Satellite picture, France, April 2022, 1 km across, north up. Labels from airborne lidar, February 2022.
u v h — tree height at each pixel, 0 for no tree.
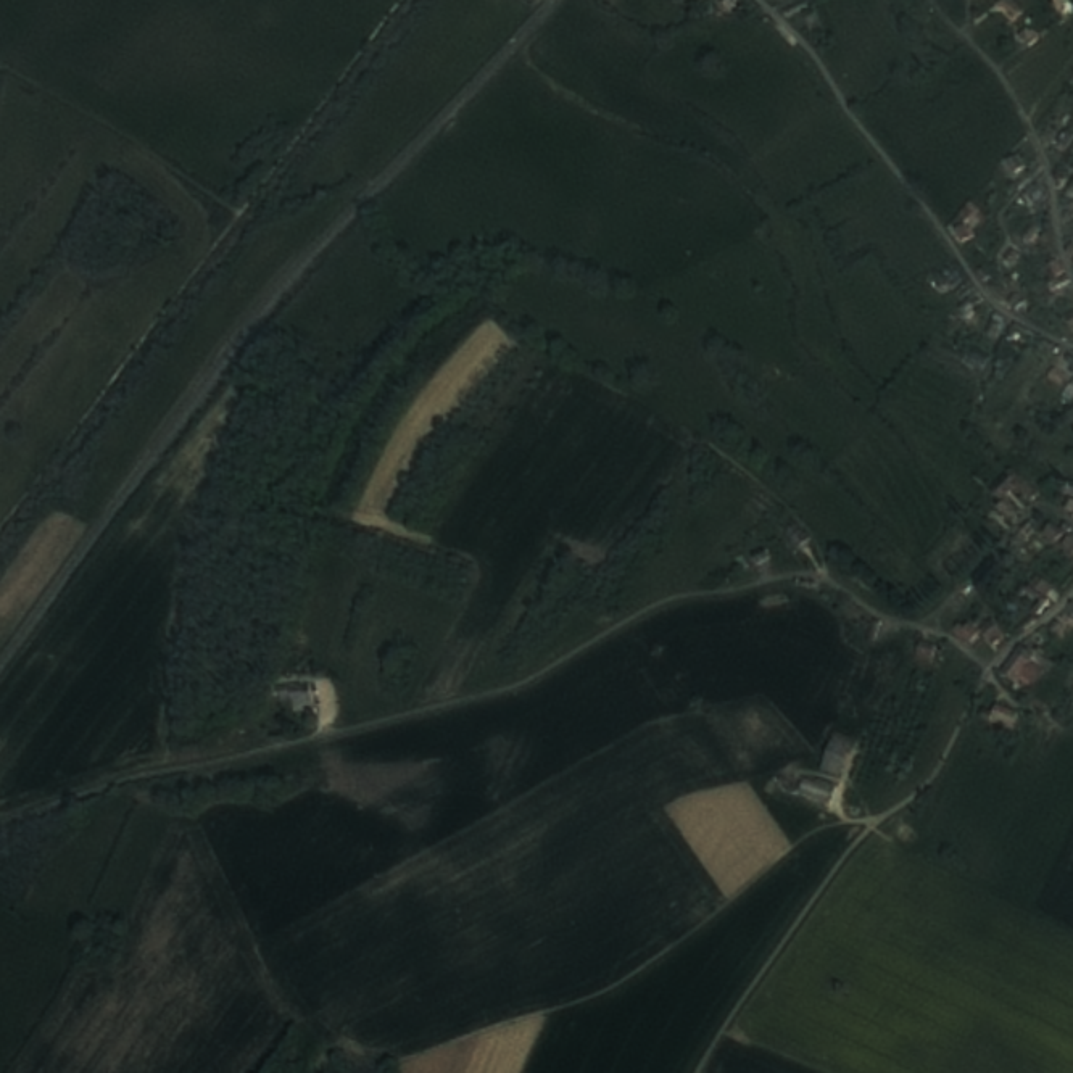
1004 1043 0
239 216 0
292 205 12
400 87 0
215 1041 0
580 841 0
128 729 0
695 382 0
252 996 0
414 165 0
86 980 0
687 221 0
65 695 0
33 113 0
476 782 0
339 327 0
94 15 0
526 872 0
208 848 0
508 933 0
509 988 0
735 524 0
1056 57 0
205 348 0
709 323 0
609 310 0
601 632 0
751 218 0
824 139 0
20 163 0
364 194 0
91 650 0
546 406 0
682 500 0
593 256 0
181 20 0
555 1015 0
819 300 0
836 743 0
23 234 0
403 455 0
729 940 0
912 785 0
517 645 7
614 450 0
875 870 0
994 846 0
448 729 0
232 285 0
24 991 0
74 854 0
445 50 0
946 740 0
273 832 0
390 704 0
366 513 0
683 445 0
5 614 0
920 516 0
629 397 0
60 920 0
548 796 0
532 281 0
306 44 0
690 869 0
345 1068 20
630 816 0
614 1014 0
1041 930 0
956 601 0
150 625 0
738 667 0
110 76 0
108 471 0
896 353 0
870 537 0
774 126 0
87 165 0
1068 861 0
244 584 30
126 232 25
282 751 0
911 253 0
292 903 0
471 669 0
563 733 0
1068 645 0
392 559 10
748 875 0
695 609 0
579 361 19
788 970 0
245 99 0
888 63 0
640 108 0
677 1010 0
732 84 0
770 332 0
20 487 0
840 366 0
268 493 25
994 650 0
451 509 0
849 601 19
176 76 0
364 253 0
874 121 0
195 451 0
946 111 0
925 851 0
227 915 0
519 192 0
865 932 0
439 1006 0
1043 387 0
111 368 0
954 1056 0
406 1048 0
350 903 0
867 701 0
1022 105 0
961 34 0
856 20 0
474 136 0
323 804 0
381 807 0
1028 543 0
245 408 21
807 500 0
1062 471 0
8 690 0
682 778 0
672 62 0
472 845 0
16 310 14
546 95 0
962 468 0
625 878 0
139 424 0
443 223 0
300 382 29
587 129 0
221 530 27
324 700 0
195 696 31
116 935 13
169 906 0
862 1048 0
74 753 0
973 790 0
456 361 0
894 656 0
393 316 0
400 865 0
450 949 0
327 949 0
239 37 0
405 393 27
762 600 0
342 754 0
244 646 33
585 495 0
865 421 0
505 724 0
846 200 0
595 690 0
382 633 0
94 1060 0
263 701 25
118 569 0
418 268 16
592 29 0
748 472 0
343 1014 0
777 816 0
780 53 0
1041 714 11
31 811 0
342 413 27
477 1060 0
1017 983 0
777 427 0
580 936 0
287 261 0
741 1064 0
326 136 8
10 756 0
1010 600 6
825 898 0
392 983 0
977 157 0
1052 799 0
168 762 0
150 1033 0
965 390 0
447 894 0
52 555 0
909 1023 0
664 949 0
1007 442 0
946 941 0
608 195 0
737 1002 0
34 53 0
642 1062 0
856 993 0
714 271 0
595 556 0
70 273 0
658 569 0
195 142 0
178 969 0
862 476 0
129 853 0
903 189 0
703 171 0
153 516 0
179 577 0
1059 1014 0
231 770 0
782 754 0
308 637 0
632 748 0
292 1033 9
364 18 0
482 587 0
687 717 0
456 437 24
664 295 0
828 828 0
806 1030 0
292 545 29
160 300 0
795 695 0
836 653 0
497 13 0
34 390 0
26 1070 0
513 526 0
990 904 0
